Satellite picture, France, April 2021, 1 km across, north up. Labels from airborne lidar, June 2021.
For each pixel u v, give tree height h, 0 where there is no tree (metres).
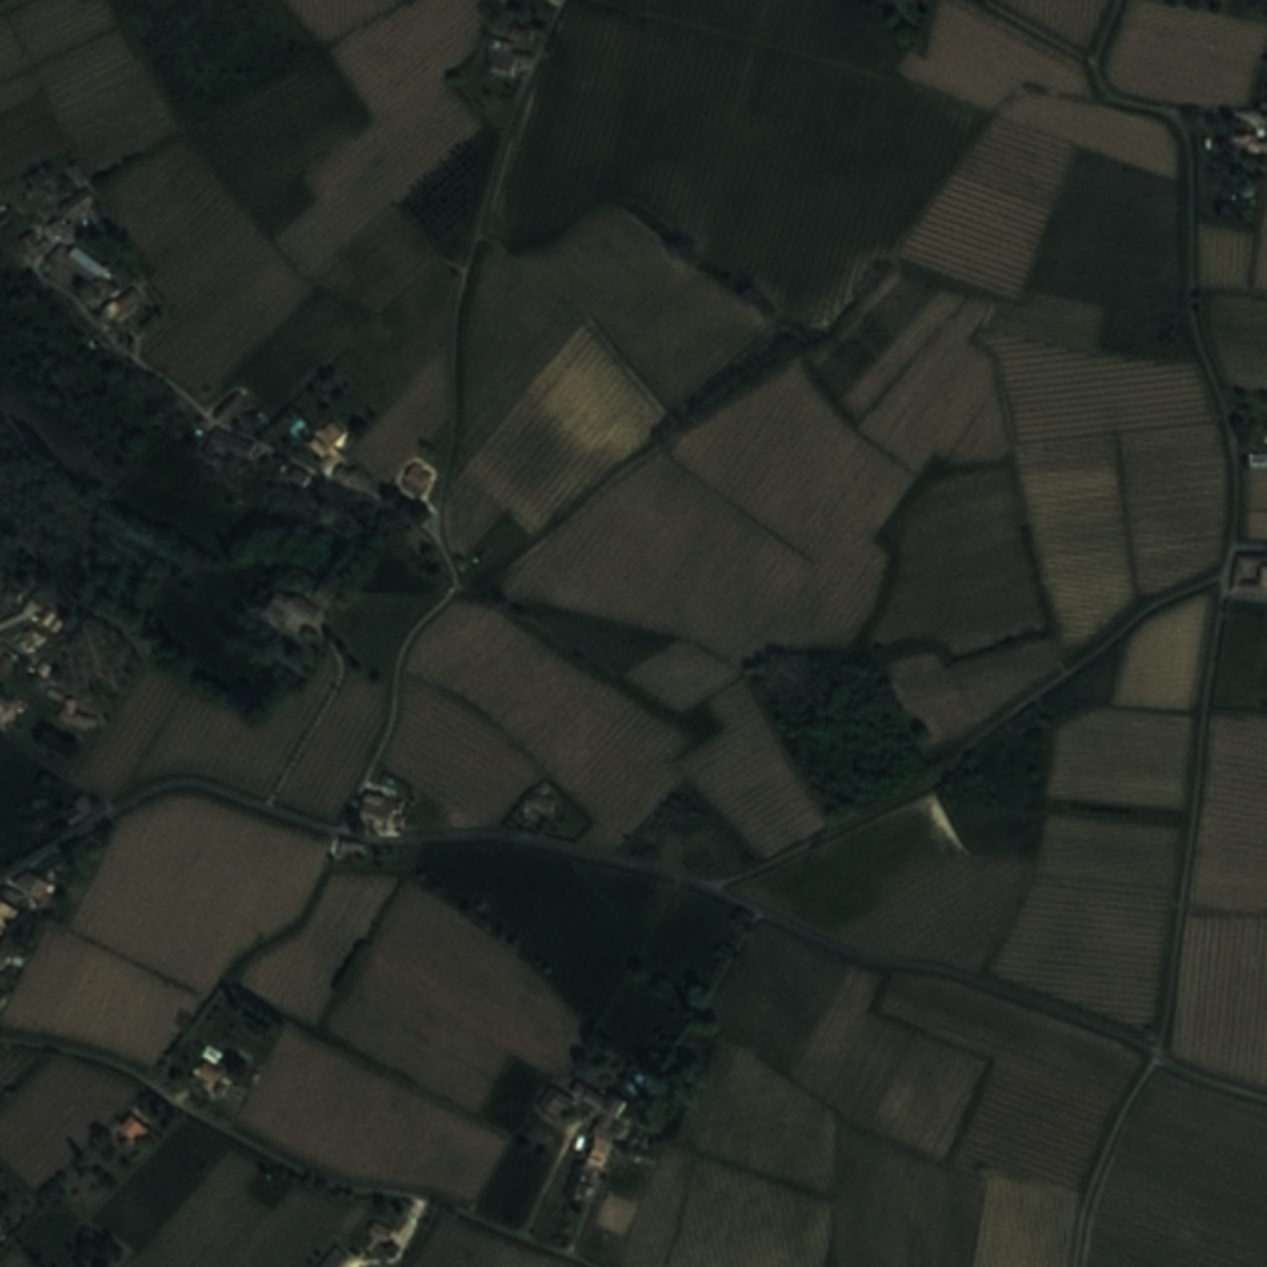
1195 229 0
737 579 0
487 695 0
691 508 0
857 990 0
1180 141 0
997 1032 0
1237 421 8
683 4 0
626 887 0
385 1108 0
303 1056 0
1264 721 0
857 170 0
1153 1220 0
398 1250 9
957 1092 0
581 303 0
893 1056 0
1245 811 0
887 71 0
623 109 0
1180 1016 0
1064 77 0
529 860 0
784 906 0
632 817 0
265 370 0
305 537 22
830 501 0
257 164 0
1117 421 0
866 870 0
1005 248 0
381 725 0
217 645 0
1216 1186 0
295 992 0
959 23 0
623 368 0
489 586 0
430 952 0
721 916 0
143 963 0
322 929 0
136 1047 0
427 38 0
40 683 9
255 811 0
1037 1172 0
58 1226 0
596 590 0
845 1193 0
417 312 0
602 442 0
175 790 0
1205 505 0
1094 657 0
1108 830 0
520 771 0
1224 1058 0
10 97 0
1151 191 0
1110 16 0
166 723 0
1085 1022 0
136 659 11
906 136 0
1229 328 0
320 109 0
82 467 0
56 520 21
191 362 0
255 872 0
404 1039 0
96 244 11
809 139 0
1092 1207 0
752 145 0
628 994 0
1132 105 0
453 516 0
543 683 0
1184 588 0
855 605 0
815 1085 0
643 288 0
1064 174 0
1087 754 0
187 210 0
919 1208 0
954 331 0
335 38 0
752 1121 0
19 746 0
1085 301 0
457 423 0
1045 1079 0
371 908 0
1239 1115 0
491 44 9
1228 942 0
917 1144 0
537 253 0
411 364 0
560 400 0
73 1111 0
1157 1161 0
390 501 17
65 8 0
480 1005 0
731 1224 0
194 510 0
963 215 0
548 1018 0
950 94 0
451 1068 0
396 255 0
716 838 0
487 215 0
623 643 0
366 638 0
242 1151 0
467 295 0
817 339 14
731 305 0
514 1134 0
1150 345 0
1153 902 0
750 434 0
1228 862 0
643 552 0
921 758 11
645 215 0
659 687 0
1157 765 0
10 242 0
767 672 15
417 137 0
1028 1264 0
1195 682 0
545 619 0
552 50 0
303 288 0
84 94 0
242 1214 0
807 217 0
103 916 0
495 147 0
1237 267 0
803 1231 0
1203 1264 0
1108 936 0
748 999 0
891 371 0
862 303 7
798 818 0
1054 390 0
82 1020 0
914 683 0
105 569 17
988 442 0
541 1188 0
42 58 0
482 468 0
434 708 0
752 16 0
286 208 0
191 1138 0
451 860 0
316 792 0
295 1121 0
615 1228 0
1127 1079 0
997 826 0
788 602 0
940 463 0
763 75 0
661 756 0
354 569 20
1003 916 0
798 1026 0
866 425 0
